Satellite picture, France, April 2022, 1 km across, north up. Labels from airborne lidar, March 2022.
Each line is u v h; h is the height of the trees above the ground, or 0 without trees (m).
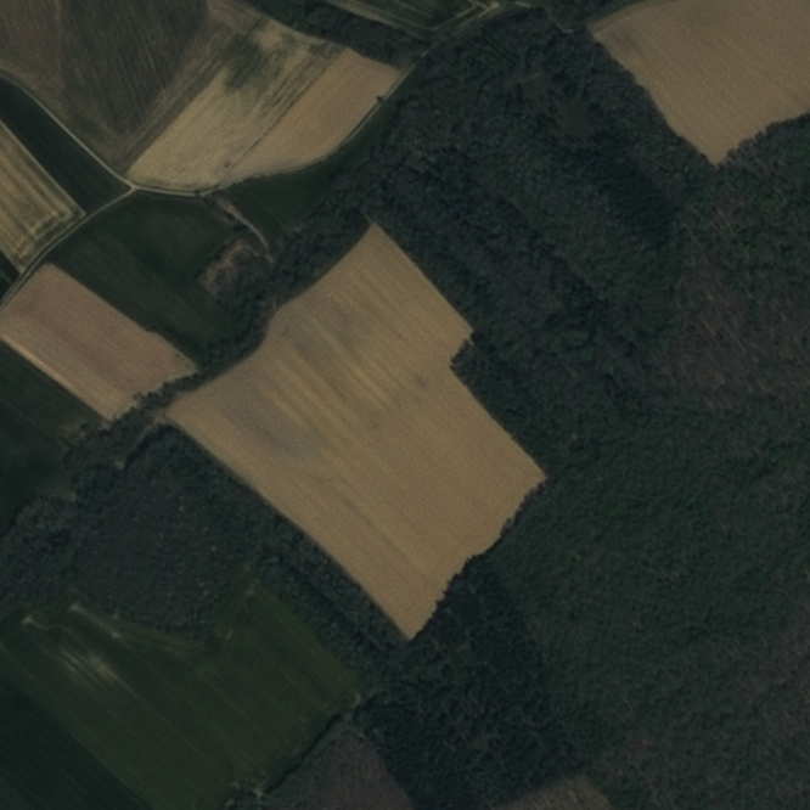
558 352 27
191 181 0
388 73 0
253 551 17
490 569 21
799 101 0
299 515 0
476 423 0
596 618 25
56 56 0
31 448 0
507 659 21
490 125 25
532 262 27
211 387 0
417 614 0
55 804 0
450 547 0
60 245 0
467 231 29
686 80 0
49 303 0
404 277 0
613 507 21
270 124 0
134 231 0
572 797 0
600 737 22
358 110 0
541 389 24
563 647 22
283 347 0
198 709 0
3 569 26
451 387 0
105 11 0
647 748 26
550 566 19
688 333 25
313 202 0
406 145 25
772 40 0
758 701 26
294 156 0
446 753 21
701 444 26
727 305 28
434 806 22
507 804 8
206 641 21
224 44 0
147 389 0
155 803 0
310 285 23
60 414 0
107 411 0
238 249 16
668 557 22
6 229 0
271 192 0
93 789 0
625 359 32
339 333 0
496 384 22
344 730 19
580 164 20
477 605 21
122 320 0
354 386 0
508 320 26
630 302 17
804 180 22
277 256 18
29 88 0
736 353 26
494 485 0
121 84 0
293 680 0
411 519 0
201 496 16
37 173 0
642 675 24
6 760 0
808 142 26
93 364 0
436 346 0
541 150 16
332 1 0
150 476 18
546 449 19
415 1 0
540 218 23
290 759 0
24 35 0
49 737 0
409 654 20
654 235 24
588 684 25
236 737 0
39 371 0
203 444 0
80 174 0
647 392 26
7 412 0
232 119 0
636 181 25
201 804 0
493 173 24
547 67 20
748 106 0
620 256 20
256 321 21
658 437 24
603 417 23
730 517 24
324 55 0
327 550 0
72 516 33
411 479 0
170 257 0
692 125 0
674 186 27
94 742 0
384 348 0
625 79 22
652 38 0
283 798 15
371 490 0
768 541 25
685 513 19
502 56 0
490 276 26
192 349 0
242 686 0
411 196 24
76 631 0
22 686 0
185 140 0
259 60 0
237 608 0
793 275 23
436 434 0
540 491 0
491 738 18
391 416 0
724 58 0
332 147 0
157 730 0
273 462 0
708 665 28
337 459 0
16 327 0
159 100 0
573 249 25
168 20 0
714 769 24
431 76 17
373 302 0
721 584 24
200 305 0
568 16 19
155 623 15
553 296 27
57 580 28
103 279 0
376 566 0
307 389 0
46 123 0
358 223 21
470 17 0
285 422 0
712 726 25
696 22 0
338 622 22
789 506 25
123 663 0
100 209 0
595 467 19
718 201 24
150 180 0
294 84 0
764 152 24
